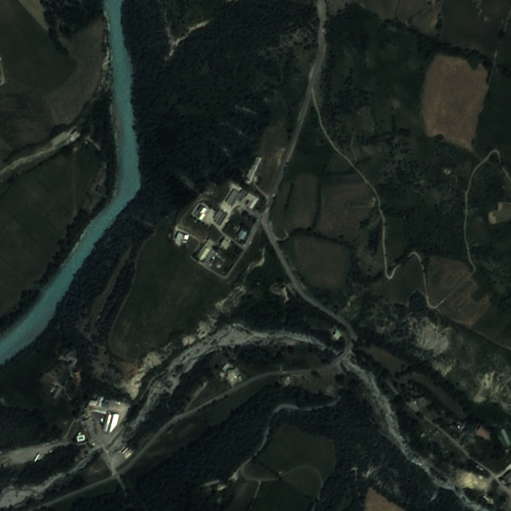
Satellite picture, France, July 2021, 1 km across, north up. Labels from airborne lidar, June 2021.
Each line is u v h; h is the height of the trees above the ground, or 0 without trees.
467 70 0
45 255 0
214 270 0
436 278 0
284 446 0
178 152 11
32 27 0
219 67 6
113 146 22
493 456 10
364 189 0
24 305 21
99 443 0
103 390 7
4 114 0
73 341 5
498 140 0
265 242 6
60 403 0
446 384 9
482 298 0
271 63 9
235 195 0
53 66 0
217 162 11
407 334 7
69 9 20
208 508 9
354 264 7
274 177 0
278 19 7
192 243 0
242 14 9
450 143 0
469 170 0
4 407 8
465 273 0
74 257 0
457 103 0
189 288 0
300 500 0
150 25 9
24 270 0
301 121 0
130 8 8
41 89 0
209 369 11
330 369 0
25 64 0
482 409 0
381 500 0
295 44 8
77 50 0
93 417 0
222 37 6
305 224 0
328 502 7
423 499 9
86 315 13
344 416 9
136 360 0
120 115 0
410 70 0
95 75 0
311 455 0
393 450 10
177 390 11
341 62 0
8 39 0
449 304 0
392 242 0
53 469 15
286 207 6
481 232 0
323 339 12
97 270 8
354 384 14
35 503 9
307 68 0
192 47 12
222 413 0
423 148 0
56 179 0
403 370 8
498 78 0
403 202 0
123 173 0
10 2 0
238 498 0
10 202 0
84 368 7
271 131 0
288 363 0
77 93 0
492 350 0
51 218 0
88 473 0
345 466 9
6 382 0
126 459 0
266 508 0
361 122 0
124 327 0
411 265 0
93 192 0
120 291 12
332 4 0
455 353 0
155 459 0
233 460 15
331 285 0
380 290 0
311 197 0
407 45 0
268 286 8
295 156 0
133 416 10
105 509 19
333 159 0
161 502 22
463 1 0
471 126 0
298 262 0
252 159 14
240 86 7
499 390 0
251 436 16
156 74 13
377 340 11
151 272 0
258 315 17
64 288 0
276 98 0
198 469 13
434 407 12
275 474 6
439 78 0
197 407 0
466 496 9
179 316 0
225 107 8
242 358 16
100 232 0
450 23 0
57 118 0
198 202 0
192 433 0
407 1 0
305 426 7
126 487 6
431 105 0
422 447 18
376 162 0
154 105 17
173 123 16
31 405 0
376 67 0
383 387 13
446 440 0
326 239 6
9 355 0
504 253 0
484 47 0
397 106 0
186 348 12
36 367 0
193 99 7
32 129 0
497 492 0
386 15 0
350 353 0
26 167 0
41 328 0
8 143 0
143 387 8
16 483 7
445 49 8
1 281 0
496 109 0
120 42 0
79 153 0
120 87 0
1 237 0
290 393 13
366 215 0
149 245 0
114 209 0
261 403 7
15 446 7
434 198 0
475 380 0
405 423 17
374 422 10
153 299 0
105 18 13
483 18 0
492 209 0
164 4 8
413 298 7
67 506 0
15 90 0
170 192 7
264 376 0
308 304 11
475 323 0
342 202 0
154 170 15
